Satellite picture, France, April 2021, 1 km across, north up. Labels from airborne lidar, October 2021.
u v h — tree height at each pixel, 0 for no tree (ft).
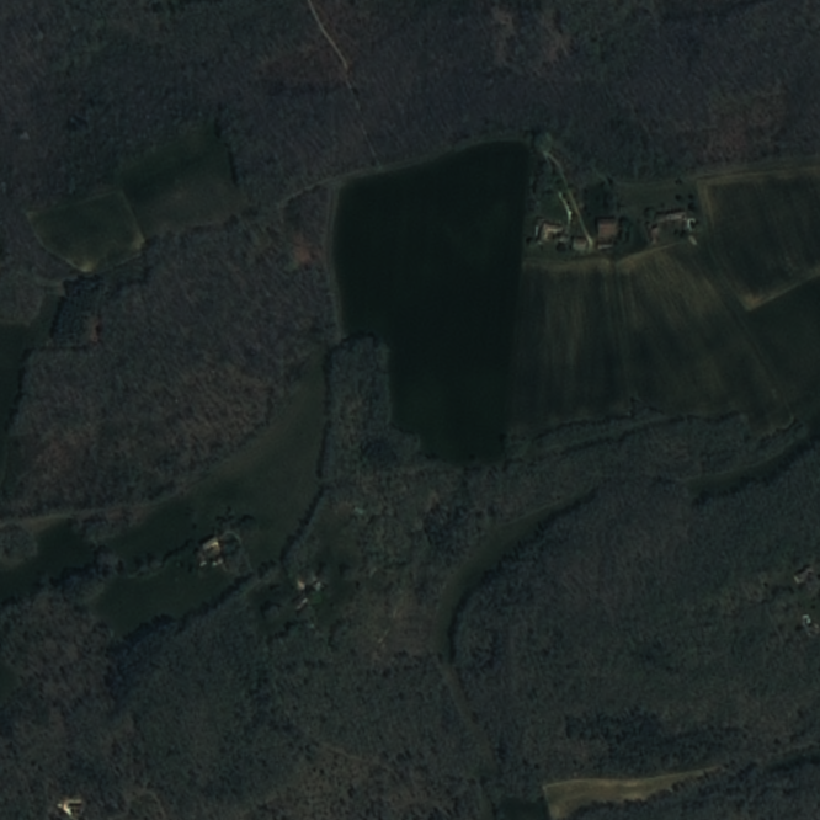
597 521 54
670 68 72
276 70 21
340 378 70
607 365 0
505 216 0
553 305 0
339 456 55
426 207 0
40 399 54
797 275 0
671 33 66
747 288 0
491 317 0
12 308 57
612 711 50
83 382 66
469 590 0
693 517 37
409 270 0
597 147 60
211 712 62
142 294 51
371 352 73
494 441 0
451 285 0
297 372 24
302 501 0
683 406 0
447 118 58
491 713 54
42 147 43
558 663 36
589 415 0
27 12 62
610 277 0
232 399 64
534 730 37
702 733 47
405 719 54
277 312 60
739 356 0
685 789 54
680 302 0
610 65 62
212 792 50
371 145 46
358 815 43
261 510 0
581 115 60
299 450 0
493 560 0
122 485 44
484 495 57
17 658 50
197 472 66
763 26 65
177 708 67
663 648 45
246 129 69
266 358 59
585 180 73
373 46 28
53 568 0
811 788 25
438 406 0
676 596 42
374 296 0
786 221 0
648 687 44
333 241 0
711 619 38
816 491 41
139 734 48
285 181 61
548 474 41
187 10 68
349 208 0
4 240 36
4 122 42
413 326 0
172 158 0
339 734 36
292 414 0
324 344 75
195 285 68
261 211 56
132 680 81
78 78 39
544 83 57
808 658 46
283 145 52
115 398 63
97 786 33
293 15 41
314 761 32
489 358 0
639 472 59
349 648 31
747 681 50
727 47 69
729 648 34
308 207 37
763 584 44
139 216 0
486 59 33
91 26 72
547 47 73
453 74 37
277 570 41
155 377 70
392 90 54
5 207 51
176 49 63
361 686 26
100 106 34
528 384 0
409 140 55
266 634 0
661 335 0
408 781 46
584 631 39
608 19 58
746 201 0
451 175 0
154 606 0
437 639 0
